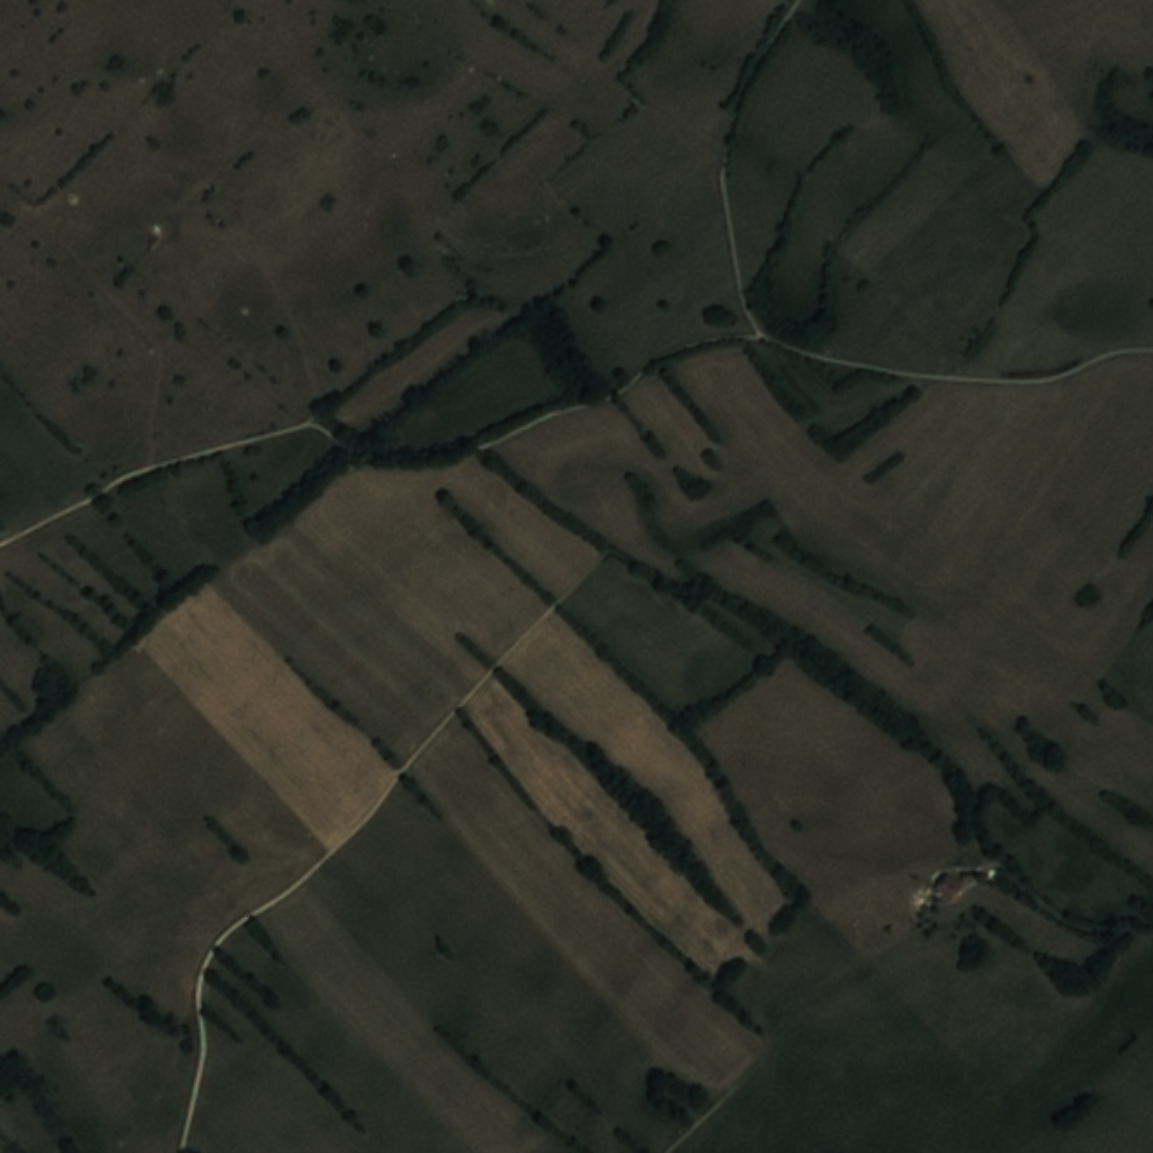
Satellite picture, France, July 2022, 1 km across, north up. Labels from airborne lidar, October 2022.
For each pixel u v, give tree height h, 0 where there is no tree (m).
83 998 0
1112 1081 0
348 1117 13
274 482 0
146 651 0
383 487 0
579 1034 0
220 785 0
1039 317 0
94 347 0
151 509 0
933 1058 0
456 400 0
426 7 0
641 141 0
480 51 0
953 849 0
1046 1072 0
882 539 0
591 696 0
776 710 0
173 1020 13
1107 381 0
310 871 0
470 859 0
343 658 0
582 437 0
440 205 0
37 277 0
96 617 0
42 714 7
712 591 12
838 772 0
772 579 0
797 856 0
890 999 0
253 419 0
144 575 0
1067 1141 0
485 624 0
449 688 0
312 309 0
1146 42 0
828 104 0
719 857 0
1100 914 0
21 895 0
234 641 0
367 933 0
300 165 0
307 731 0
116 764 0
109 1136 0
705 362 0
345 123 0
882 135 0
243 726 0
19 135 0
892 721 10
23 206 0
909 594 0
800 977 0
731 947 0
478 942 0
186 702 0
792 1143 0
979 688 0
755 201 0
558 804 0
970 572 0
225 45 0
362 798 0
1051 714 0
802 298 0
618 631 0
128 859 0
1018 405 0
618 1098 0
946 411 0
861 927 0
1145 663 0
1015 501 0
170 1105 0
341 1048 0
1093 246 0
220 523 0
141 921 0
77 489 0
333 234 0
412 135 0
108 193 0
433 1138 0
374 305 0
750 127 0
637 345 0
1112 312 0
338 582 0
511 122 0
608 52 6
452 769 0
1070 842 0
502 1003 0
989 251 0
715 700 7
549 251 0
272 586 0
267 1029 11
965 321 0
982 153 0
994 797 14
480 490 0
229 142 0
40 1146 0
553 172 0
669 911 0
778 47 7
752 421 0
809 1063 0
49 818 0
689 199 0
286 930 0
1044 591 0
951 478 0
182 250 0
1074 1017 0
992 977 0
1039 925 0
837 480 0
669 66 0
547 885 0
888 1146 0
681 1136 0
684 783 0
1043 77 0
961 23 0
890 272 0
